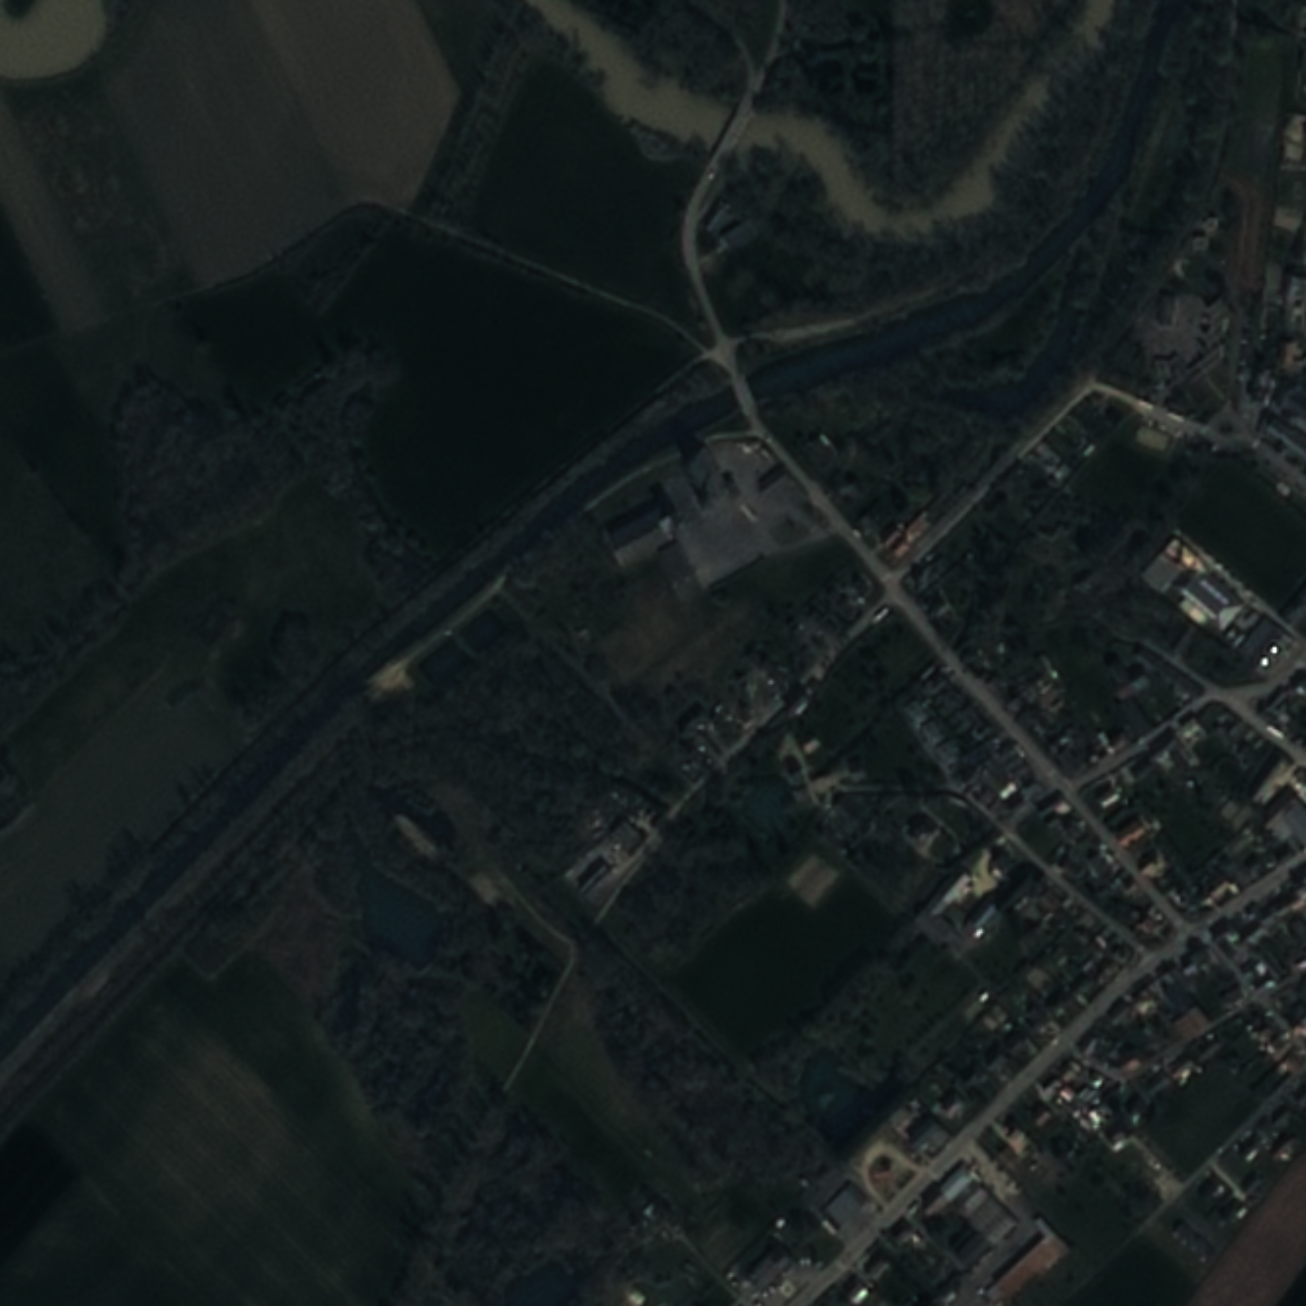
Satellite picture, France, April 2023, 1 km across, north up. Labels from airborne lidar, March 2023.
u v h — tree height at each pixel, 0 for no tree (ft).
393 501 0
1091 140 105
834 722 0
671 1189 0
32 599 0
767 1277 0
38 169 0
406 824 0
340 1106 0
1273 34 53
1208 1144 0
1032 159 75
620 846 0
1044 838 0
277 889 53
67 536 0
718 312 0
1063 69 0
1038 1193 0
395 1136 0
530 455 0
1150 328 0
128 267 0
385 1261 0
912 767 0
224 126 0
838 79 49
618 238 0
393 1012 20
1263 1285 0
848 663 0
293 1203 0
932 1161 0
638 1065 63
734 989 0
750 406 0
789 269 0
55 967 31
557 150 0
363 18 0
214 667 0
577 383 0
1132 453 0
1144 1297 0
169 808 0
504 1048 0
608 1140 0
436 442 0
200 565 0
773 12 0
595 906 0
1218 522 0
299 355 0
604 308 0
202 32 0
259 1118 0
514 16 53
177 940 28
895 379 56
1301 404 0
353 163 0
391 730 69
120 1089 0
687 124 0
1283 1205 0
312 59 0
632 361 0
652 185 0
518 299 0
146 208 0
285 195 0
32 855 0
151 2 0
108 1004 23
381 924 0
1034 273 0
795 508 0
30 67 0
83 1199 0
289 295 0
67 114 0
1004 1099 0
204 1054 0
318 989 0
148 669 0
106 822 0
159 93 0
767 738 26
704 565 0
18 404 0
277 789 105
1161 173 0
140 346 0
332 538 0
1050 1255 0
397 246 0
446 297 0
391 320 0
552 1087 0
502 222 0
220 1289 0
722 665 0
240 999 0
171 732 0
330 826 78
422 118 0
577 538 54
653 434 0
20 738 0
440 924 0
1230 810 0
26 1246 0
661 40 69
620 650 0
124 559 36
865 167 74
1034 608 43
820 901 0
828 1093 31
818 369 0
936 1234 39
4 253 0
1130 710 0
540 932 0
